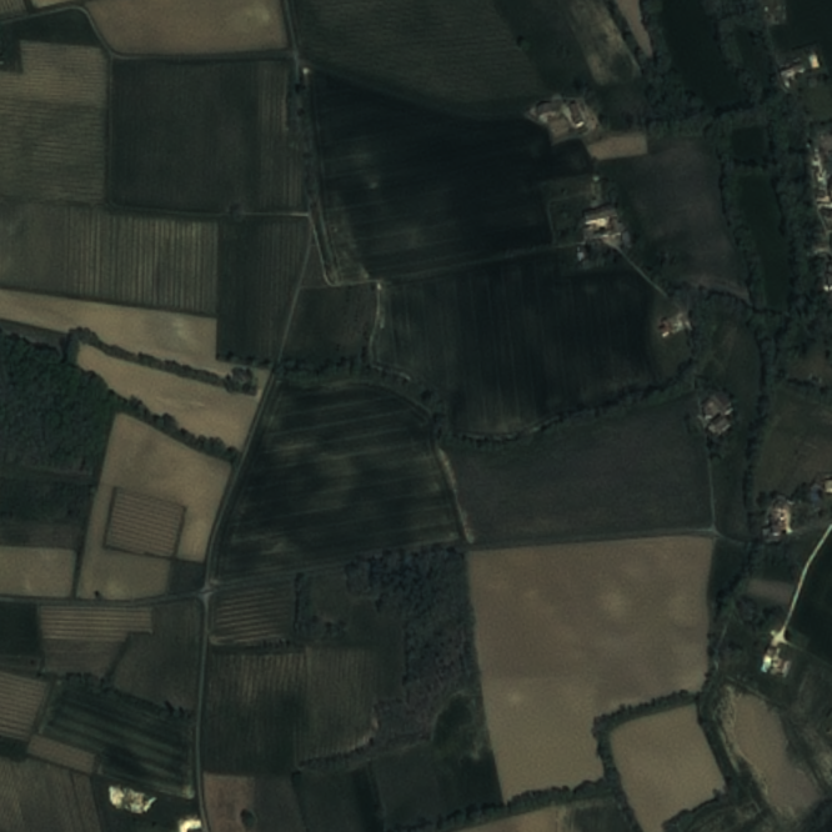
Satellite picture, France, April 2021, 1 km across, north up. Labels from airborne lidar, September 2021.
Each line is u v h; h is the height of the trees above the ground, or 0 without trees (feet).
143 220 0
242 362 23
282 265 0
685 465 0
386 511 0
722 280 0
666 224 0
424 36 0
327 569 0
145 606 0
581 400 0
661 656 0
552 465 0
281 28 0
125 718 0
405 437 0
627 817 32
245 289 0
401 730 37
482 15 0
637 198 0
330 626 32
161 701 0
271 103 0
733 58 53
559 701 0
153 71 0
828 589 0
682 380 63
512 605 0
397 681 0
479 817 64
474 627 40
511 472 0
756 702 0
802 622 0
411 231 0
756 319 60
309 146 38
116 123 0
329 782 0
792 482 0
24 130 0
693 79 0
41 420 77
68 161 0
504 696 0
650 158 0
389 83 0
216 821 0
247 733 0
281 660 0
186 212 0
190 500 0
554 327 0
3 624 0
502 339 0
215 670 0
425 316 0
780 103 41
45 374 81
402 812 0
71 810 0
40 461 61
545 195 0
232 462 23
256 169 0
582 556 0
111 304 0
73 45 0
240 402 0
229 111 0
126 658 0
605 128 49
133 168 0
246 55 0
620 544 0
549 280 0
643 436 0
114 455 0
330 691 0
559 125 0
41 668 0
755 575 49
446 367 0
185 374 49
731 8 39
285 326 0
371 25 0
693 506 0
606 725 54
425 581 62
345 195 0
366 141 0
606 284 0
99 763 0
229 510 0
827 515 22
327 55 0
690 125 64
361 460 0
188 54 0
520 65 0
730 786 41
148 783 0
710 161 0
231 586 0
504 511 0
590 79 0
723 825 0
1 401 71
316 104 0
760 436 49
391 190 0
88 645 0
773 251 0
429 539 0
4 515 31
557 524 0
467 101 0
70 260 0
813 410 0
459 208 0
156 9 0
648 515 0
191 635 0
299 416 0
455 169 0
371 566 46
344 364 37
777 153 59
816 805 0
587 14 0
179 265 0
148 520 0
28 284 0
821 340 52
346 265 0
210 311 0
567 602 0
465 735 0
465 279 0
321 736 0
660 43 46
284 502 0
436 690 47
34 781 0
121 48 0
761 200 0
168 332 0
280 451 0
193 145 0
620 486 0
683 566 0
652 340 0
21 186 0
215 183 0
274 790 0
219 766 0
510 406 0
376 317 0
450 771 0
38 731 0
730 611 61
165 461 0
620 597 0
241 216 52
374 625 0
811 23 0
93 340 49
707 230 0
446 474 0
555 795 45
